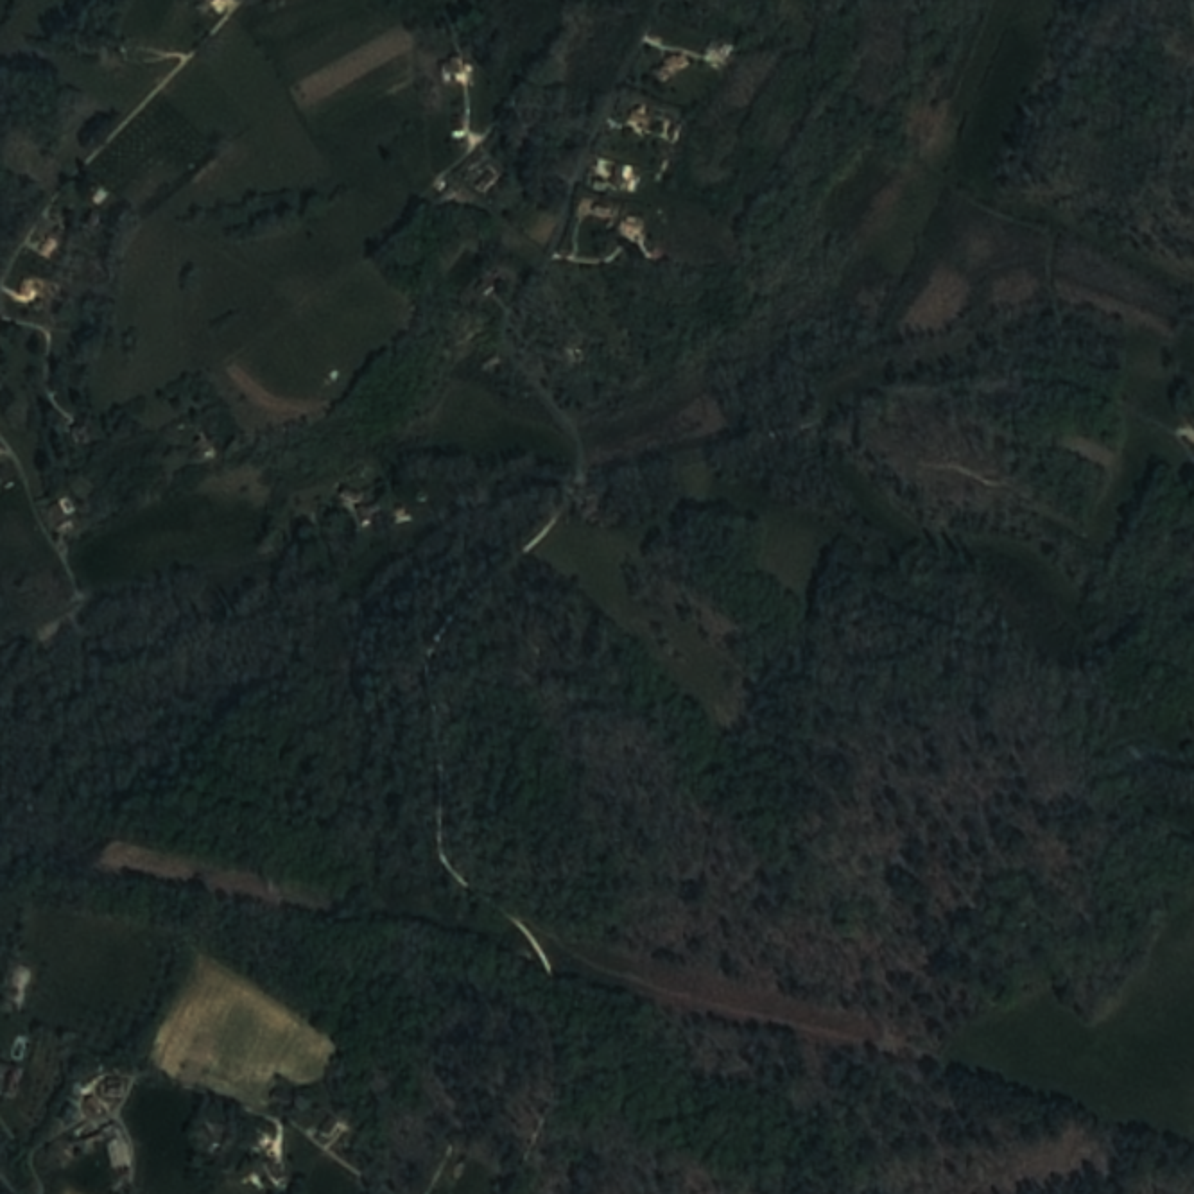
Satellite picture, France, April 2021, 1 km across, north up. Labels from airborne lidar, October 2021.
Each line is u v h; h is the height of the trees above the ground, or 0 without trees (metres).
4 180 24
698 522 22
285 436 14
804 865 27
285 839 24
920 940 13
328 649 7
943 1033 17
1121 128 10
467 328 16
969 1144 25
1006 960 22
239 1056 0
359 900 21
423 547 15
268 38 0
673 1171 16
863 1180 17
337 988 23
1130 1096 0
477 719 17
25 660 23
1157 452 0
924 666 14
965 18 15
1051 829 21
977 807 6
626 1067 25
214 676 17
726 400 25
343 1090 14
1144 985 0
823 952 16
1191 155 12
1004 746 9
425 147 0
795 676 21
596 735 18
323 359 0
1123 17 6
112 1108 0
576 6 12
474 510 23
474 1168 0
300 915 16
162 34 0
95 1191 0
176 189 0
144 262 0
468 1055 26
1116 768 19
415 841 18
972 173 0
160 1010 10
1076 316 7
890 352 18
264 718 19
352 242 0
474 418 0
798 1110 14
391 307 0
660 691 20
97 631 21
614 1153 18
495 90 0
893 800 13
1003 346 16
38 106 23
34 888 18
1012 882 15
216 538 0
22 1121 0
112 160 0
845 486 7
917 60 22
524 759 24
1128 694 21
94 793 24
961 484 0
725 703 0
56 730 22
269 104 0
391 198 0
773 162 6
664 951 8
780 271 18
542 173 24
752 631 20
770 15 21
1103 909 18
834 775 25
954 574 14
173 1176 0
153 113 0
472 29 18
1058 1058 0
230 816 27
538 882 15
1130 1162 25
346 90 0
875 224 0
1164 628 24
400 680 11
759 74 18
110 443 7
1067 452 22
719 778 19
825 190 22
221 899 10
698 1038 10
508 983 21
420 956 21
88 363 15
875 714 21
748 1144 15
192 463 8
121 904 21
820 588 15
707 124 11
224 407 6
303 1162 0
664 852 17
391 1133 13
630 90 9
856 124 19
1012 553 0
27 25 0
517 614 20
